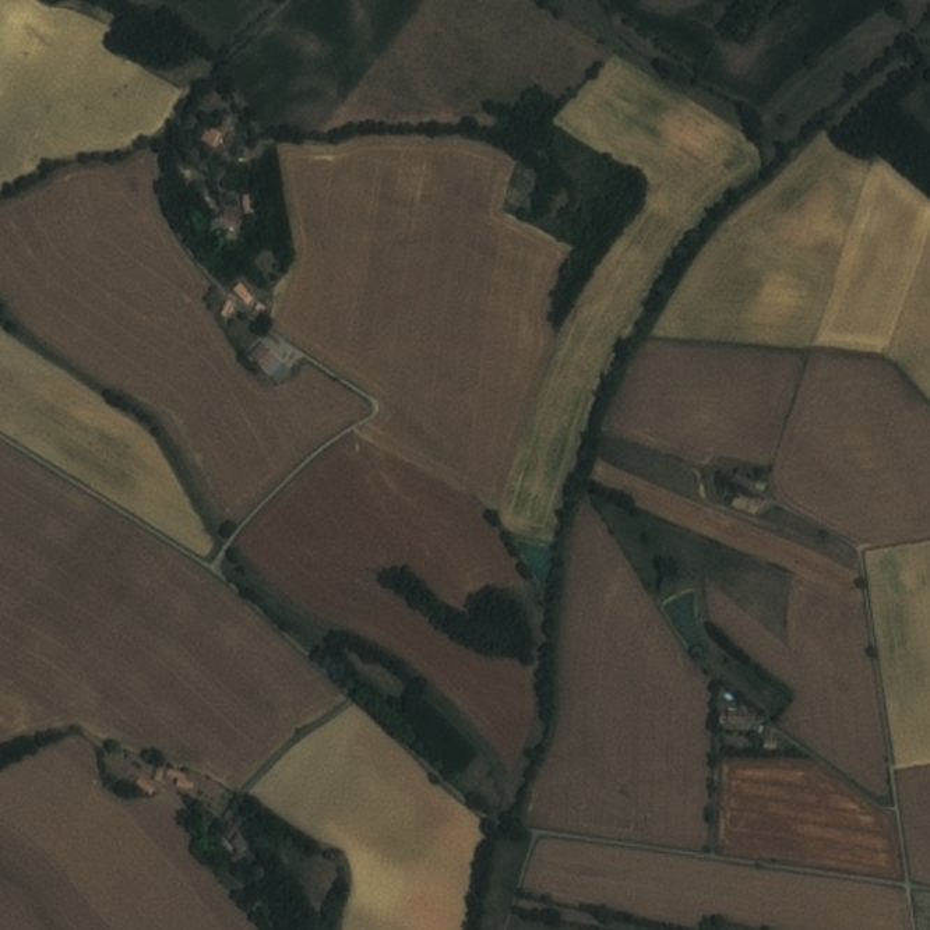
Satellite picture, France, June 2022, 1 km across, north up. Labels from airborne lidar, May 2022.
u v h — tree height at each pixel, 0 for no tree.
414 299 0
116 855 0
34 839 0
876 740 0
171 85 0
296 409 0
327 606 0
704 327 0
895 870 0
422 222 0
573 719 0
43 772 0
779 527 0
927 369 0
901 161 17
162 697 0
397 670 19
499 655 9
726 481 10
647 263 0
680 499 0
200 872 0
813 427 0
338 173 0
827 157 0
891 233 0
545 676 16
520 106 9
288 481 0
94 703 0
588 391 0
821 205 0
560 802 0
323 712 0
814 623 0
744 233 0
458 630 14
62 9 0
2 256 0
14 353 0
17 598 0
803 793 0
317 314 0
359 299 0
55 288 0
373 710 30
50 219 0
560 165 10
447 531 0
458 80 0
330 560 0
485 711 0
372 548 0
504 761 0
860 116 23
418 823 0
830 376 0
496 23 0
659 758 0
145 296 0
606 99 0
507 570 0
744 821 0
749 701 7
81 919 0
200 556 0
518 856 0
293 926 12
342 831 0
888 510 0
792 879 0
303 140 11
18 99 0
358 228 0
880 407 0
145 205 0
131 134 0
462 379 0
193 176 0
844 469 0
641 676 0
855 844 0
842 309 0
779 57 0
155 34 15
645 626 0
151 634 0
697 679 0
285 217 0
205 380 0
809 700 0
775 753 10
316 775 0
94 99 0
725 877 0
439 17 0
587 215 6
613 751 0
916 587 0
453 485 0
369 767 0
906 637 0
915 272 0
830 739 0
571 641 0
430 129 13
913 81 17
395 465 0
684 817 0
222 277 10
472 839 0
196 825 14
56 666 0
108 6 16
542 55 0
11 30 0
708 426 0
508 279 0
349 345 0
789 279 0
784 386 0
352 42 0
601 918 17
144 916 0
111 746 17
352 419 0
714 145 0
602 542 0
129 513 0
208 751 0
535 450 0
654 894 0
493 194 0
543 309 0
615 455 0
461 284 0
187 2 0
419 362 0
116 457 0
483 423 0
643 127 0
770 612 0
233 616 0
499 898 0
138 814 0
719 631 11
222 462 0
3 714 0
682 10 0
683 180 0
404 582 13
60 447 0
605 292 0
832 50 0
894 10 15
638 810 0
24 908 0
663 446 0
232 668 0
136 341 0
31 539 0
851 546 0
